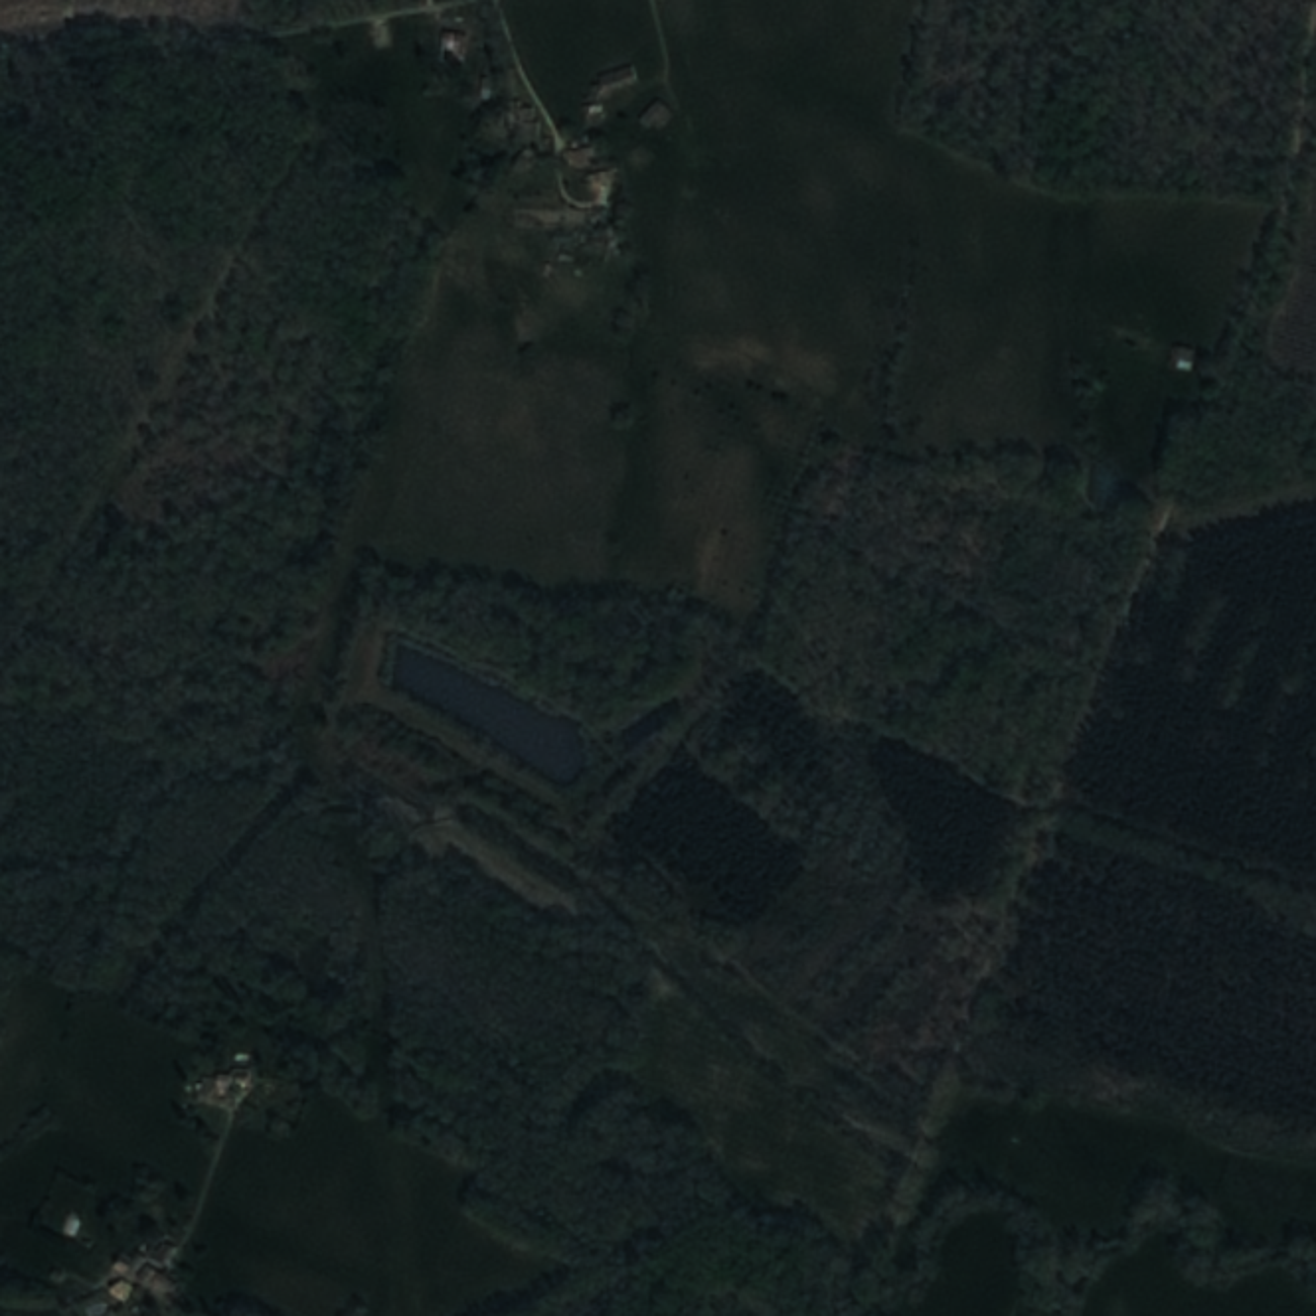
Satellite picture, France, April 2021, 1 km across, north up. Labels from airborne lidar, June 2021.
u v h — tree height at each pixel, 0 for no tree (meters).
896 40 0
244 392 16
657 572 0
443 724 6
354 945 18
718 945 8
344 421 23
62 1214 0
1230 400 14
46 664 26
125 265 20
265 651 13
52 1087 0
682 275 0
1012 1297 0
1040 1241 17
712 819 11
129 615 21
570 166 8
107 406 20
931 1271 20
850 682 21
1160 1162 0
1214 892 19
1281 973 16
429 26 0
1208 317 0
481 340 0
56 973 17
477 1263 0
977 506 9
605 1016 25
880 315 0
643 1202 26
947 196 0
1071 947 15
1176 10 13
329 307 23
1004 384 0
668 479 0
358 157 16
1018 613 17
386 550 0
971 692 24
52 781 12
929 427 0
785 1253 19
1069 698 19
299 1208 0
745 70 0
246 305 17
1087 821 15
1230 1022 18
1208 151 9
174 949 23
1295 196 19
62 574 21
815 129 0
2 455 19
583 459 0
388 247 17
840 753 13
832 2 0
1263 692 16
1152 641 17
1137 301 0
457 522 0
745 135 0
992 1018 16
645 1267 26
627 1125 26
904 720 24
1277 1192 0
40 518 21
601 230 7
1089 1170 0
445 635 19
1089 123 25
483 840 26
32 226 19
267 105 21
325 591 17
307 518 20
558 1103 28
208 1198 0
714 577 0
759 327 0
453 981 23
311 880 22
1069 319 0
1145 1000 17
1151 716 15
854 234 0
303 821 17
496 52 13
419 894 23
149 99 21
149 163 21
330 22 14
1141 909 19
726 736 10
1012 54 9
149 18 0
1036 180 13
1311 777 14
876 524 16
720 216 0
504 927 22
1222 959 19
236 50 21
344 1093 15
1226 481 16
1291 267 19
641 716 14
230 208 21
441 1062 25
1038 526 14
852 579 12
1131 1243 16
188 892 21
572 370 0
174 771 23
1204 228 0
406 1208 0
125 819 20
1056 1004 12
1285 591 16
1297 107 20
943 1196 11
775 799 20
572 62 0
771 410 0
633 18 0
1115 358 0
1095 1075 15
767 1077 19
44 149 18
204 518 18
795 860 11
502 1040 16
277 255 21
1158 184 14
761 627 15
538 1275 0
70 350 23
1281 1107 19
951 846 16
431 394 0
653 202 0
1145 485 0
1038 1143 0
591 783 11
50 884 22
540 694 21
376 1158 0
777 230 0
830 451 11
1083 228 0
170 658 19
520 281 0
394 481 0
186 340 14
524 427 0
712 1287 19
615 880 19
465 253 0
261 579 13
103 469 17
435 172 0
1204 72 21
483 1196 19
